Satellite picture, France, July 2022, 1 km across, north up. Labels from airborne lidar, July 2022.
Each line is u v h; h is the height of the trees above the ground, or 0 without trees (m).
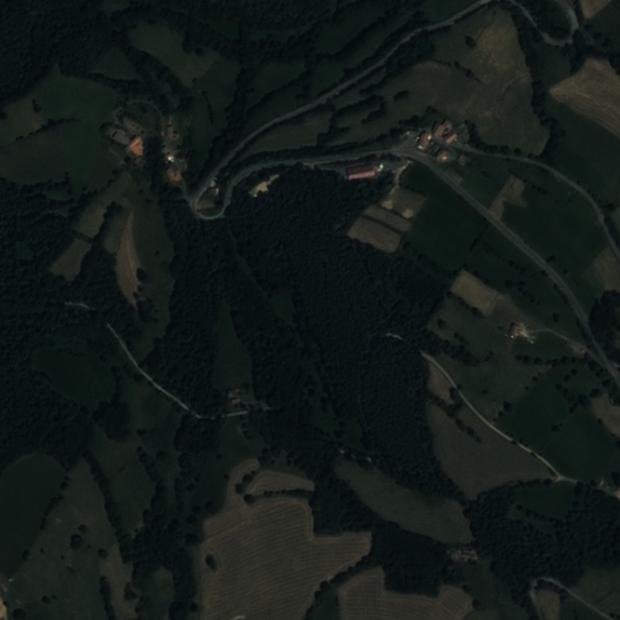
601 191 0
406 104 0
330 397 24
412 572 10
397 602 0
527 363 14
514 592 9
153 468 19
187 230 18
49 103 0
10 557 0
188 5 19
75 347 21
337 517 11
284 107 0
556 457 0
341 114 13
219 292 16
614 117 0
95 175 0
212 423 19
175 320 19
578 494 14
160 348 20
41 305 15
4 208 29
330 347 29
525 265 0
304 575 0
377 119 10
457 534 0
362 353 25
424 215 0
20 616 18
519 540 18
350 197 20
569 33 14
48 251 19
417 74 0
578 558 8
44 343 19
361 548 0
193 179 20
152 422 0
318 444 28
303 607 0
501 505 16
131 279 0
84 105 0
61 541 0
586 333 18
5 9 23
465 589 8
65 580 0
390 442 20
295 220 20
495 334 0
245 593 0
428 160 0
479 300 0
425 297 11
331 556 0
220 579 0
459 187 0
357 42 13
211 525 0
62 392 0
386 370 25
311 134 0
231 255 27
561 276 0
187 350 33
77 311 7
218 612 0
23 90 20
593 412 0
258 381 15
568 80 0
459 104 0
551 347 0
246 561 0
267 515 0
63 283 18
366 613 0
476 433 20
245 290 27
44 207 22
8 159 0
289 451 9
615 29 0
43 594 0
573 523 14
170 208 13
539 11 23
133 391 0
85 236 7
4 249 30
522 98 0
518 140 0
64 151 0
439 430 0
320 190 26
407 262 14
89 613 0
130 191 0
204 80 0
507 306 0
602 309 21
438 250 0
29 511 0
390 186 16
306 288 27
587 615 0
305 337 24
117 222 0
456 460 0
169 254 0
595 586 0
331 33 0
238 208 23
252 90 9
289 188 19
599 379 10
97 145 0
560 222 0
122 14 19
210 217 0
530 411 0
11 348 14
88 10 27
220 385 0
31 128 0
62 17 15
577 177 0
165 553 24
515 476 0
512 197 0
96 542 0
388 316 23
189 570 23
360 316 22
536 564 18
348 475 0
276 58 13
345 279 19
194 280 27
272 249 10
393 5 11
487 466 0
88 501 0
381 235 0
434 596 7
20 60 21
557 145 14
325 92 6
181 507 8
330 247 22
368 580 0
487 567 0
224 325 0
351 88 10
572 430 0
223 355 0
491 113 0
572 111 0
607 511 20
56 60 19
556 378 0
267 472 0
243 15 18
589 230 0
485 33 0
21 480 0
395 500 0
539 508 0
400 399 20
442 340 19
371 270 23
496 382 0
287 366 27
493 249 13
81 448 26
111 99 0
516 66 0
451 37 0
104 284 16
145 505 0
